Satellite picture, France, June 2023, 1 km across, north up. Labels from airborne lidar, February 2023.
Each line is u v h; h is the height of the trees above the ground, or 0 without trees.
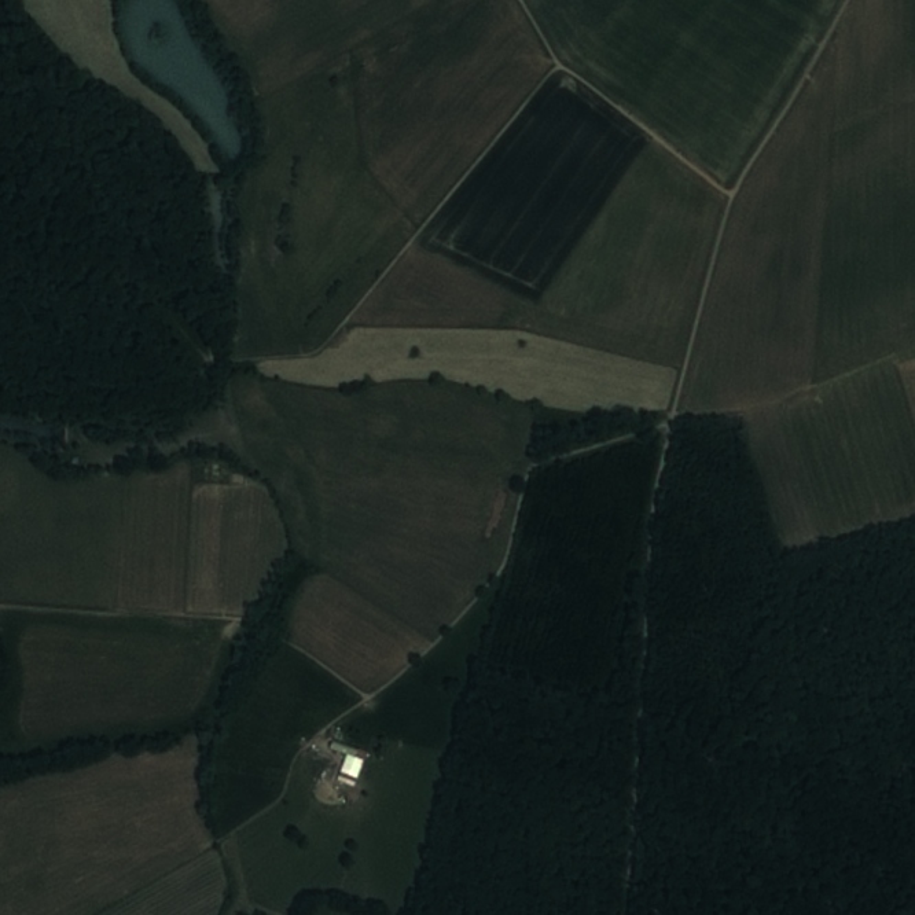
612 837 24
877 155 0
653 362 0
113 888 0
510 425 0
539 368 0
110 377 30
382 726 0
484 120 0
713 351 0
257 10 0
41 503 0
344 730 0
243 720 0
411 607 0
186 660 0
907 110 0
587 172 0
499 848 22
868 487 0
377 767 0
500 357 0
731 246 0
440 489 0
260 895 0
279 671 0
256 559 0
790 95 0
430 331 0
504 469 0
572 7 0
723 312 0
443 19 0
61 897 0
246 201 0
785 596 22
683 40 0
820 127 0
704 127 0
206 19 8
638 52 0
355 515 0
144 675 0
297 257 0
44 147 26
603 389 0
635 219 0
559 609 7
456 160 0
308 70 0
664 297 0
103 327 28
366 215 0
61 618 0
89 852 0
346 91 0
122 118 27
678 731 28
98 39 0
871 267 0
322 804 0
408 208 0
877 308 0
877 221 0
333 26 0
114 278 29
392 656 0
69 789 0
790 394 0
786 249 0
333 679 0
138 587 0
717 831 28
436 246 0
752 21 0
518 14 0
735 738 30
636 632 23
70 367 28
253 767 0
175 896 0
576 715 30
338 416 0
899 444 0
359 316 0
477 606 0
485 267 0
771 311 0
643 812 20
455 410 0
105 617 0
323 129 0
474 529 0
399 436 0
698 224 0
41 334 28
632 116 0
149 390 26
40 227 29
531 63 0
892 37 0
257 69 0
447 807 19
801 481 0
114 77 0
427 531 0
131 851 0
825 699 24
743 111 0
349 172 0
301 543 0
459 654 0
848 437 0
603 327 0
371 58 0
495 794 22
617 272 0
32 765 22
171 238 29
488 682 25
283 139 0
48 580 0
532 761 27
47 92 31
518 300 0
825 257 0
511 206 0
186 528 0
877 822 27
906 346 0
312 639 0
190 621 0
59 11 0
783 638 25
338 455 0
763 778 28
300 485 0
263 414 0
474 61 0
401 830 0
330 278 0
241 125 13
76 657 0
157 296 18
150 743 14
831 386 0
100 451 0
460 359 0
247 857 0
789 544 0
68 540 0
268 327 0
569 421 0
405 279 0
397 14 0
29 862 0
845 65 0
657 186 0
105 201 29
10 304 27
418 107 0
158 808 0
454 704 0
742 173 0
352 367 0
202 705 0
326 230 0
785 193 0
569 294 0
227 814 0
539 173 0
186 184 28
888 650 25
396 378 0
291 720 0
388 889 0
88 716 0
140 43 0
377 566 0
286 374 0
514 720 30
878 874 27
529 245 0
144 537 0
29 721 0
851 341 0
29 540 0
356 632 0
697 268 0
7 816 0
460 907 23
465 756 23
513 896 23
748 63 0
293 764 0
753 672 29
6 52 27
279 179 0
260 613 17
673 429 14
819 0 0
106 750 19
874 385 0
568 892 25
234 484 0
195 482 0
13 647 0
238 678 21
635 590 24
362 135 0
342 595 0
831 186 0
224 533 0
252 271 0
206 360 0
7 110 28
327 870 0
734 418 14
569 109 0
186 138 0
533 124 0
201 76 0
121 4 12
